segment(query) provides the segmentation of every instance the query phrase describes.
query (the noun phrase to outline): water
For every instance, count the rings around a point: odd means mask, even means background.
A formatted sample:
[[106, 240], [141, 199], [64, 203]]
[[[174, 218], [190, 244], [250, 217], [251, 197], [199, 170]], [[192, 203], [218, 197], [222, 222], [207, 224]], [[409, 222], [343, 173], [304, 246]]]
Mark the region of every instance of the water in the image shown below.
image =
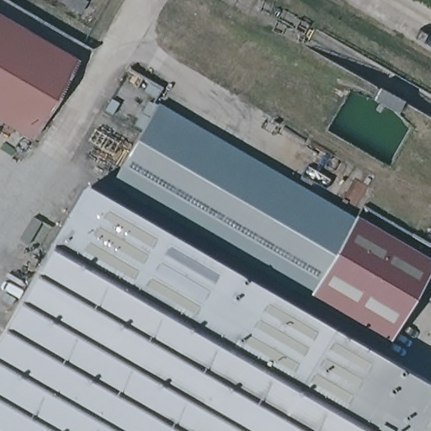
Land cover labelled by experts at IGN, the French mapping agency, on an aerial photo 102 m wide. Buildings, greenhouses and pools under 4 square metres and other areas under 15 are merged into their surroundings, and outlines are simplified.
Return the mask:
[[360, 91], [350, 91], [345, 104], [330, 126], [332, 133], [369, 153], [384, 165], [389, 165], [407, 131], [406, 125], [397, 116], [391, 109], [377, 111], [374, 98]]

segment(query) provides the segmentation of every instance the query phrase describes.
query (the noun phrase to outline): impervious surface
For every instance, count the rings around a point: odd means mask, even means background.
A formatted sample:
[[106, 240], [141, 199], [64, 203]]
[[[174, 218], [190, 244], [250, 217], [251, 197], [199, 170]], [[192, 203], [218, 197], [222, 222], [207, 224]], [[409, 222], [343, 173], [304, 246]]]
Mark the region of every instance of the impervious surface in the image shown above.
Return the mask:
[[431, 116], [431, 93], [424, 91], [426, 84], [412, 79], [399, 69], [391, 72], [387, 67], [380, 66], [379, 62], [362, 56], [325, 32], [311, 30], [308, 22], [301, 20], [303, 15], [295, 17], [288, 13], [288, 7], [269, 7], [269, 3], [263, 0], [226, 0], [241, 8], [247, 15], [259, 19], [261, 24], [271, 25], [274, 32], [285, 34], [288, 42], [305, 42], [306, 49], [337, 62], [345, 69], [355, 72], [357, 76], [379, 86], [380, 89], [386, 89], [404, 101]]
[[369, 17], [374, 17], [377, 20], [375, 24], [379, 25], [380, 29], [386, 30], [389, 34], [394, 30], [401, 32], [406, 37], [407, 44], [412, 45], [421, 54], [431, 57], [431, 0], [347, 0], [352, 7]]
[[103, 44], [94, 49], [81, 84], [77, 86], [61, 114], [52, 123], [42, 143], [35, 138], [20, 138], [12, 126], [0, 125], [0, 330], [10, 322], [13, 311], [19, 306], [17, 296], [20, 296], [22, 291], [29, 291], [35, 271], [45, 263], [45, 256], [51, 249], [52, 241], [59, 236], [72, 209], [76, 207], [77, 200], [81, 199], [82, 192], [94, 189], [126, 209], [133, 210], [135, 214], [145, 217], [146, 221], [162, 227], [163, 231], [170, 232], [190, 246], [197, 247], [210, 258], [226, 264], [227, 268], [234, 269], [249, 281], [263, 286], [274, 295], [281, 296], [283, 300], [290, 301], [343, 335], [354, 338], [367, 349], [386, 357], [409, 374], [418, 375], [419, 379], [431, 384], [431, 281], [424, 291], [423, 298], [412, 310], [407, 322], [402, 325], [396, 340], [389, 340], [370, 330], [367, 325], [347, 317], [337, 308], [327, 305], [325, 301], [318, 300], [310, 288], [300, 285], [295, 279], [279, 273], [273, 266], [259, 261], [226, 239], [215, 236], [214, 232], [207, 231], [205, 227], [195, 224], [150, 195], [143, 194], [141, 190], [126, 184], [118, 178], [118, 173], [133, 145], [136, 141], [141, 141], [145, 135], [146, 126], [157, 111], [157, 104], [163, 104], [212, 135], [219, 136], [229, 145], [236, 146], [241, 152], [251, 155], [276, 172], [283, 173], [303, 189], [311, 190], [313, 194], [320, 195], [355, 217], [372, 222], [382, 231], [389, 232], [391, 236], [401, 239], [419, 253], [431, 258], [431, 224], [424, 226], [423, 229], [416, 229], [401, 221], [396, 215], [389, 214], [387, 210], [380, 209], [374, 202], [369, 202], [372, 197], [372, 185], [375, 185], [374, 178], [365, 178], [365, 182], [360, 180], [362, 172], [354, 172], [349, 163], [343, 160], [335, 160], [332, 148], [308, 138], [300, 131], [293, 130], [285, 120], [283, 123], [276, 123], [271, 114], [263, 113], [261, 109], [244, 103], [236, 94], [229, 93], [226, 88], [178, 62], [170, 52], [163, 51], [157, 42], [157, 20], [160, 10], [168, 0], [125, 0], [116, 19], [101, 40]]

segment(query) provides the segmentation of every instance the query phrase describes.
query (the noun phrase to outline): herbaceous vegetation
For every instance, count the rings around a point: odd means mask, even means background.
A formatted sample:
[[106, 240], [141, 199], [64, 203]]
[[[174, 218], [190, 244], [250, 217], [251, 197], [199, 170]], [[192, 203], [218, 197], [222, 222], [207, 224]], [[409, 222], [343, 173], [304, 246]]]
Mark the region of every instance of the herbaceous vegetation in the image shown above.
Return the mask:
[[94, 49], [103, 44], [101, 40], [116, 19], [125, 0], [86, 0], [89, 8], [81, 15], [71, 12], [66, 3], [59, 0], [13, 0], [67, 34], [93, 45]]
[[229, 93], [236, 94], [244, 103], [261, 109], [263, 113], [271, 114], [276, 123], [283, 123], [285, 120], [293, 130], [300, 131], [308, 138], [332, 148], [335, 160], [343, 160], [349, 163], [354, 172], [362, 172], [360, 180], [365, 182], [365, 178], [374, 178], [375, 185], [372, 185], [372, 197], [369, 202], [374, 202], [380, 209], [387, 210], [389, 214], [396, 215], [401, 221], [416, 229], [423, 229], [424, 226], [431, 224], [431, 116], [404, 101], [401, 114], [397, 116], [406, 125], [407, 131], [389, 165], [384, 165], [369, 153], [332, 133], [330, 126], [345, 104], [350, 91], [360, 91], [374, 98], [380, 89], [379, 86], [357, 76], [355, 72], [345, 69], [337, 62], [306, 49], [305, 42], [288, 42], [285, 34], [274, 32], [271, 25], [261, 24], [259, 19], [247, 15], [241, 8], [226, 0], [168, 0], [160, 10], [157, 20], [157, 42], [163, 51], [170, 52], [178, 62], [226, 88]]
[[379, 62], [380, 66], [387, 67], [391, 72], [399, 69], [412, 79], [426, 84], [424, 91], [431, 93], [431, 57], [421, 54], [412, 45], [407, 44], [406, 37], [401, 32], [394, 30], [389, 34], [386, 30], [380, 29], [379, 25], [375, 24], [377, 20], [374, 17], [369, 17], [352, 7], [347, 0], [263, 0], [269, 3], [269, 7], [288, 7], [288, 13], [295, 17], [303, 15], [301, 20], [308, 22], [311, 30], [325, 32], [362, 56]]

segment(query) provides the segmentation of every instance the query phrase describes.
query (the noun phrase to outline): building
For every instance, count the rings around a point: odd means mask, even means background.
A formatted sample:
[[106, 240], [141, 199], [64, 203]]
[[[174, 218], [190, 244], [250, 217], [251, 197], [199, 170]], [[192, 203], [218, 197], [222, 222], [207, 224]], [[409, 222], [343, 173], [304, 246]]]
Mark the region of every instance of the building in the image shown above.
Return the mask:
[[391, 109], [397, 116], [401, 114], [404, 101], [386, 89], [380, 89], [374, 98], [377, 111]]
[[86, 0], [59, 0], [66, 3], [71, 12], [81, 15], [89, 8]]
[[0, 431], [431, 431], [431, 384], [419, 379], [418, 375], [409, 374], [386, 357], [367, 349], [354, 338], [343, 335], [290, 301], [283, 300], [281, 296], [274, 295], [263, 286], [249, 281], [234, 269], [227, 268], [226, 264], [210, 258], [197, 247], [190, 246], [170, 232], [163, 231], [162, 227], [146, 221], [145, 217], [135, 214], [133, 210], [126, 209], [94, 189], [82, 192], [81, 199], [77, 200], [76, 207], [72, 209], [59, 236], [52, 241], [51, 249], [45, 256], [45, 263], [35, 271], [29, 291], [22, 291], [20, 296], [17, 296], [19, 306], [13, 311], [10, 322], [0, 330]]
[[94, 49], [93, 45], [67, 34], [13, 0], [0, 0], [0, 125], [12, 126], [20, 138], [35, 138], [42, 143], [52, 123], [61, 114], [77, 86], [81, 84]]
[[337, 308], [347, 317], [367, 325], [370, 330], [389, 340], [396, 340], [402, 325], [407, 322], [412, 310], [423, 298], [424, 291], [431, 281], [431, 258], [419, 253], [401, 239], [391, 236], [389, 232], [382, 231], [372, 222], [355, 217], [320, 195], [313, 194], [311, 190], [303, 189], [283, 173], [276, 172], [251, 155], [241, 152], [236, 146], [229, 145], [219, 136], [212, 135], [163, 104], [157, 104], [157, 111], [146, 126], [145, 135], [141, 141], [136, 141], [133, 145], [118, 173], [118, 178], [126, 184], [141, 190], [143, 194], [150, 195], [195, 224], [205, 227], [207, 231], [214, 232], [215, 236], [226, 239], [259, 261], [273, 266], [279, 273], [295, 279], [300, 285], [310, 288], [318, 300], [325, 301], [327, 305]]

